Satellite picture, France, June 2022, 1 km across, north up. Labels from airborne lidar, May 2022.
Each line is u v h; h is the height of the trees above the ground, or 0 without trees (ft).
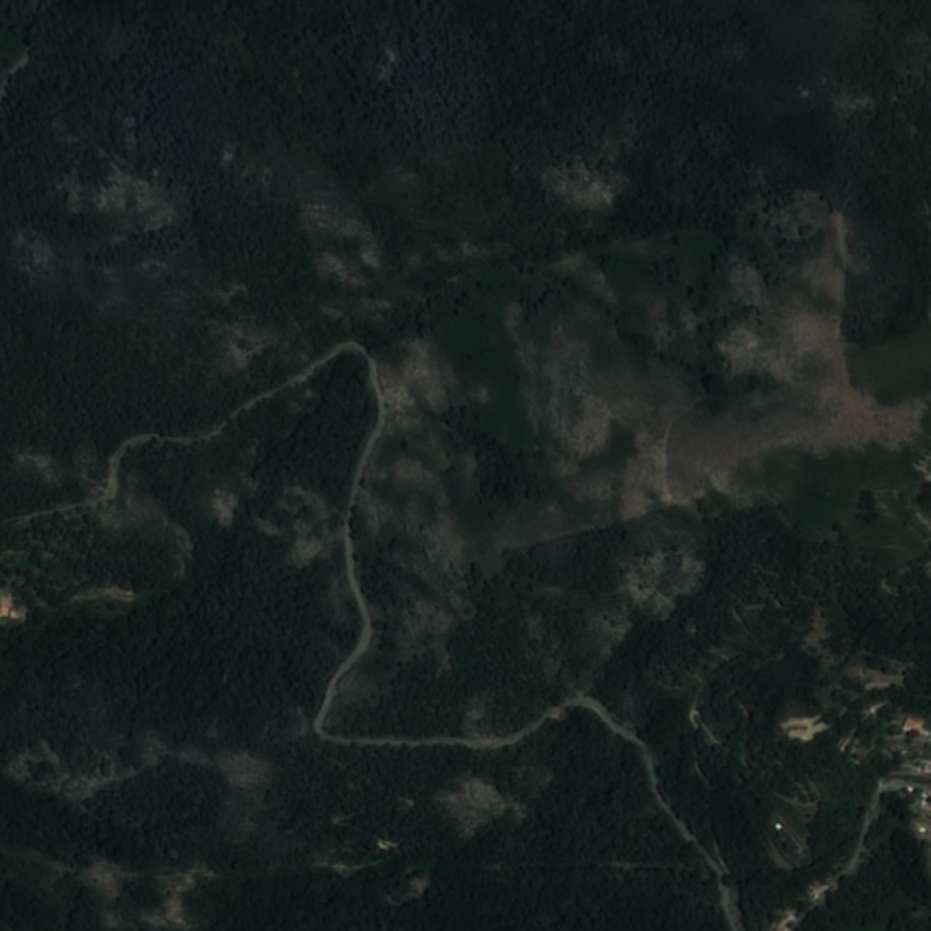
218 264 50
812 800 34
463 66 41
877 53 33
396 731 37
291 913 36
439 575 0
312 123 27
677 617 44
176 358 30
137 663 63
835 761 33
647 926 89
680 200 35
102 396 48
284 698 39
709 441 0
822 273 0
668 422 0
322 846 35
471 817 0
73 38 52
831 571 35
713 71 23
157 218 0
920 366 0
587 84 34
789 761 18
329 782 44
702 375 20
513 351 0
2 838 45
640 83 36
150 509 0
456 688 41
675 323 0
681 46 41
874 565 23
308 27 33
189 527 29
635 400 0
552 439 0
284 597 43
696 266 0
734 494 0
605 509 0
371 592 37
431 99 20
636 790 42
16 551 23
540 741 25
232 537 27
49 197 42
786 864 0
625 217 31
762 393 0
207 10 49
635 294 0
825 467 0
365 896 54
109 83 25
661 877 64
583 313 0
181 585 23
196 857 26
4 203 35
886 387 0
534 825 55
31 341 38
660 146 33
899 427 0
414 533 0
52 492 31
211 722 32
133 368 45
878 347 0
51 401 53
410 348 0
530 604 30
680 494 0
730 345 0
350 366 52
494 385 0
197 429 26
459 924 40
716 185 41
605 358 0
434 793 23
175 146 25
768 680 28
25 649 74
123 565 46
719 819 44
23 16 50
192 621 35
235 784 0
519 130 46
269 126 22
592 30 20
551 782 36
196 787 39
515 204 29
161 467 40
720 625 27
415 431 0
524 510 0
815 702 29
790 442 0
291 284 33
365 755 44
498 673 45
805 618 34
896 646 60
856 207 21
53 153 21
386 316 32
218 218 62
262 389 27
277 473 43
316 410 26
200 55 28
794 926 22
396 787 38
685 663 34
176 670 37
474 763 29
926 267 40
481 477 26
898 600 38
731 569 41
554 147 44
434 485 0
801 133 26
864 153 42
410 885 69
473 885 57
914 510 0
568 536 0
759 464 0
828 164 17
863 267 0
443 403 0
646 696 27
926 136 42
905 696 45
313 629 20
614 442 0
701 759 28
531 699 37
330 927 41
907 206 46
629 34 32
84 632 27
